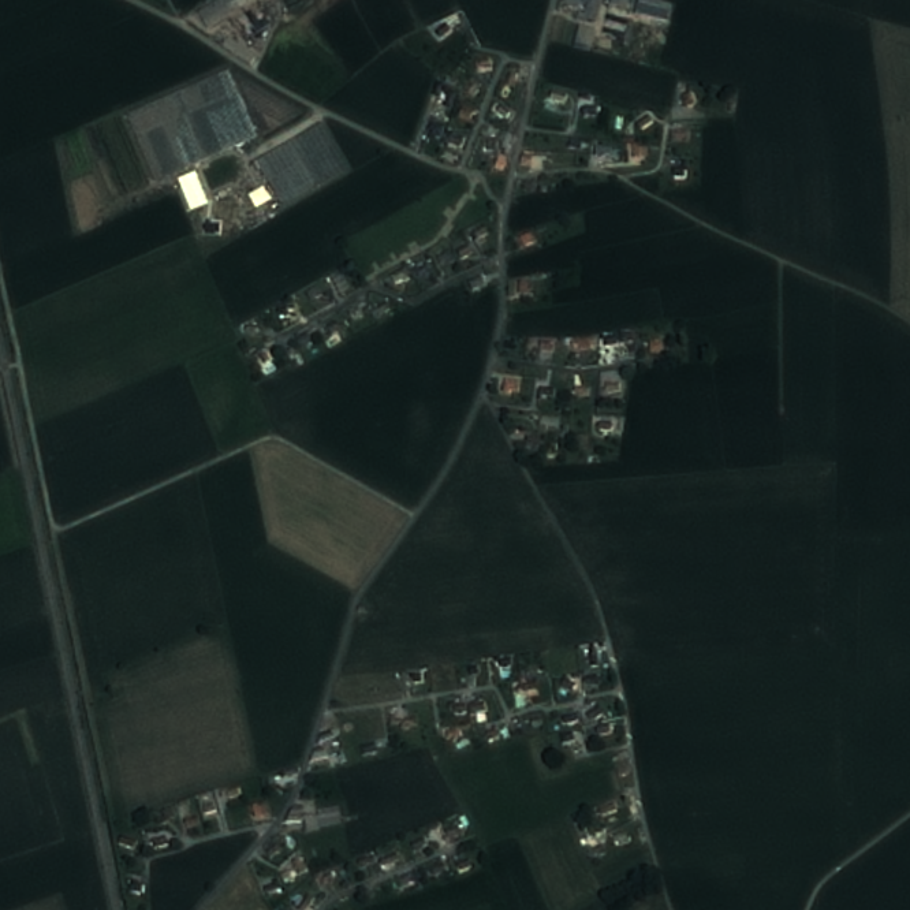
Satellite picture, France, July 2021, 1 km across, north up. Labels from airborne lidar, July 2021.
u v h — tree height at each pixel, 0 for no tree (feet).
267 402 0
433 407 0
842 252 0
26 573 0
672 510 0
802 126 0
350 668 0
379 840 0
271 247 0
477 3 0
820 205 0
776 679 0
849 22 0
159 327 0
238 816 0
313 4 0
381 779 0
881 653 0
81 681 0
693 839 0
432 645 0
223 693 0
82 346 0
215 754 0
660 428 0
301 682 0
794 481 0
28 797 0
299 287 0
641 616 0
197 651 0
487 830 0
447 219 0
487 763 0
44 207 0
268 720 0
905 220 0
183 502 0
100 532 0
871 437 0
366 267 0
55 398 0
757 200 0
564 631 0
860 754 0
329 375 0
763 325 0
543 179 23
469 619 0
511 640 0
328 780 0
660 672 0
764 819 0
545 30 0
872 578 0
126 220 0
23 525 0
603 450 30
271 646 0
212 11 0
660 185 0
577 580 0
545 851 0
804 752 0
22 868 0
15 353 0
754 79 0
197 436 0
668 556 0
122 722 0
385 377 0
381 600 0
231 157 0
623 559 0
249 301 0
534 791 0
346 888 41
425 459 0
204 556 0
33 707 0
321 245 0
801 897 0
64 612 0
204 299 0
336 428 0
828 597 0
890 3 0
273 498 0
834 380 0
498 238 0
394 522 0
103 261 0
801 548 0
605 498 0
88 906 0
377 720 0
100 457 0
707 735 0
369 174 0
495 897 0
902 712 0
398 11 0
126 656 0
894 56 0
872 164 0
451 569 0
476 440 0
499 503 0
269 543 0
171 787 0
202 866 0
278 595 0
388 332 0
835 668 0
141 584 0
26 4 0
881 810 0
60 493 0
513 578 0
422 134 0
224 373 0
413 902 0
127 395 0
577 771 0
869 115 0
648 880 72
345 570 0
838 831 0
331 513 0
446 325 0
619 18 0
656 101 0
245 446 0
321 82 0
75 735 0
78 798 0
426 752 0
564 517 0
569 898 0
